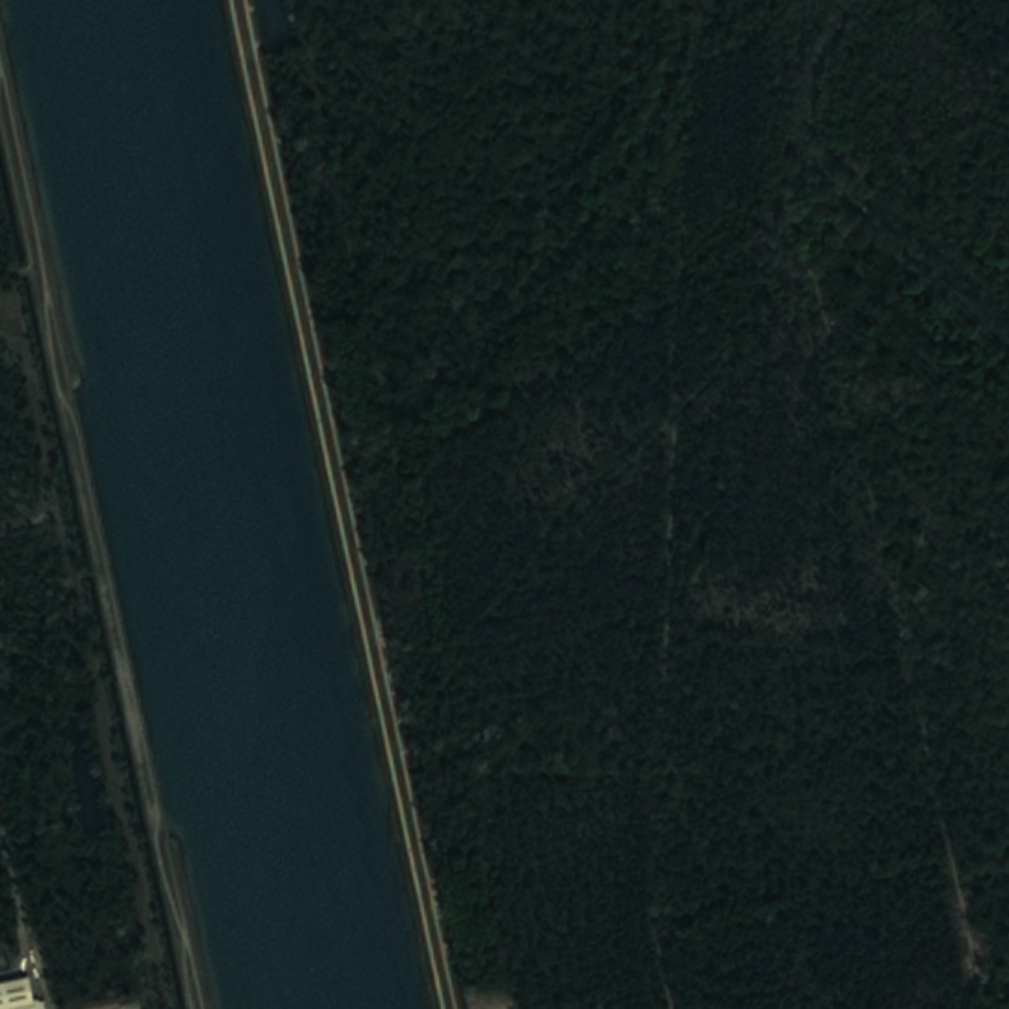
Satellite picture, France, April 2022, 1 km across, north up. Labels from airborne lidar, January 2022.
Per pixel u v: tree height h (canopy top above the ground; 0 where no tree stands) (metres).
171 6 0
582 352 18
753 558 19
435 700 8
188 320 0
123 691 0
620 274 25
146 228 0
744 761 19
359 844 0
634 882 17
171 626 0
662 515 18
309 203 27
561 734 18
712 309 23
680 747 17
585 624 18
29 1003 0
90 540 0
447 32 20
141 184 0
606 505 17
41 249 0
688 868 20
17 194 0
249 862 0
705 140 20
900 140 16
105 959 22
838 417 20
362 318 19
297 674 0
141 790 0
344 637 0
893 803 17
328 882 0
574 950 17
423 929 0
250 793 0
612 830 16
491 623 20
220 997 0
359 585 0
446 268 19
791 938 23
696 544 16
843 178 37
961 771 14
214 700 0
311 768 0
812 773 16
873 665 23
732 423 19
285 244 0
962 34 18
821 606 18
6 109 0
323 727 0
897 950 21
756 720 18
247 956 0
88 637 24
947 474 19
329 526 0
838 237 28
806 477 16
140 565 0
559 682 18
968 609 15
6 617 15
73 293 0
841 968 21
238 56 0
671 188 22
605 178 22
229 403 0
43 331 0
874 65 22
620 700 22
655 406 18
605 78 13
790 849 22
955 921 24
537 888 20
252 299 0
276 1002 0
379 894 0
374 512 13
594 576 21
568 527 19
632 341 20
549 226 29
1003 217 14
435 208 21
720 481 15
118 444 0
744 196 22
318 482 0
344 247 35
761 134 25
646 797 16
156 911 16
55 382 0
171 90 0
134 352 0
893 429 23
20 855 21
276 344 0
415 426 22
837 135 26
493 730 23
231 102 0
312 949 0
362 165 23
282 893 0
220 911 0
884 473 18
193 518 0
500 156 23
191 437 0
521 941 20
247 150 0
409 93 23
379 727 0
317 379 0
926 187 16
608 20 20
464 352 33
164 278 0
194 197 0
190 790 0
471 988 27
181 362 0
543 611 20
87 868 21
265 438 0
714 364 21
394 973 0
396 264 22
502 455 21
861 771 20
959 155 15
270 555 0
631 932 16
